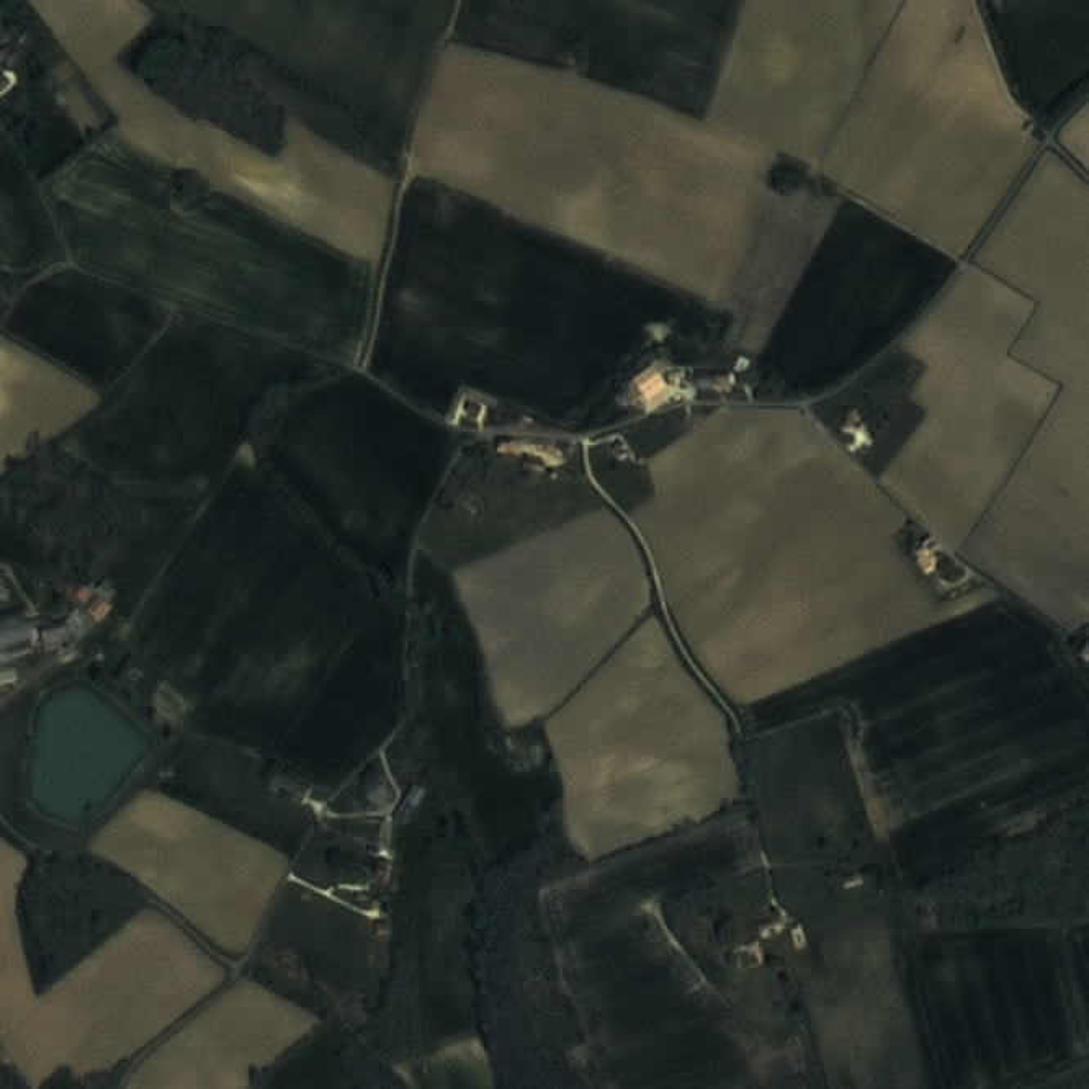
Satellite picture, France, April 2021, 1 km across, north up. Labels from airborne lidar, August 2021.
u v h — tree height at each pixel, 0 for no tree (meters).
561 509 0
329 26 0
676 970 0
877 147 0
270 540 0
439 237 0
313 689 0
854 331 0
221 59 21
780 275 0
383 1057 17
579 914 0
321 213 0
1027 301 0
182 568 0
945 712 0
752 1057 0
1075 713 0
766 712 0
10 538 0
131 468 0
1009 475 0
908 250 0
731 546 0
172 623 0
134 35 0
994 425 0
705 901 23
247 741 0
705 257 0
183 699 0
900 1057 0
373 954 0
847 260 0
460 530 0
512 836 0
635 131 0
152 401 0
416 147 0
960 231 0
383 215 0
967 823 0
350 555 10
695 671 0
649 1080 0
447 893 0
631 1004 0
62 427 0
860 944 0
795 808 0
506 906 15
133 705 19
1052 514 0
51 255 0
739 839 0
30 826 0
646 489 0
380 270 0
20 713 0
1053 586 0
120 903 22
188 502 0
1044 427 0
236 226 0
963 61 0
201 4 0
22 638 0
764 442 0
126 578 0
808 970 0
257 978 7
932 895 18
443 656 0
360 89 0
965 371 0
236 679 0
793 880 0
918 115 0
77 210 0
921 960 0
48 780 0
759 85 0
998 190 0
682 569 0
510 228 0
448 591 0
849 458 0
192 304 0
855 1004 0
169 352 0
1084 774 0
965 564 0
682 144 0
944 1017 0
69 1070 0
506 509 0
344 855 9
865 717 0
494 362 0
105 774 0
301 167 0
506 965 22
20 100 8
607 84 0
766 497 0
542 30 0
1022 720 0
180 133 0
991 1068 0
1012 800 0
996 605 0
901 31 0
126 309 0
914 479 0
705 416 0
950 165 0
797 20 0
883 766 0
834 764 0
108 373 0
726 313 0
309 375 0
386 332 0
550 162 0
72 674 0
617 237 0
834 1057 0
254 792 0
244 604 0
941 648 0
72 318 0
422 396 0
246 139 13
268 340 0
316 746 0
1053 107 6
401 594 10
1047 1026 0
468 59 0
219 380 0
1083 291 0
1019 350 0
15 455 0
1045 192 0
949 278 0
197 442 0
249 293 0
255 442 14
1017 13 0
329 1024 11
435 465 0
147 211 0
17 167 0
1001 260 0
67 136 0
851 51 0
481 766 0
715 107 0
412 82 0
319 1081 0
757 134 0
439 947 0
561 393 0
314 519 13
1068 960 0
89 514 16
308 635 0
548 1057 13
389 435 0
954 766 0
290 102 0
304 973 0
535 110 0
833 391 0
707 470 0
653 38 0
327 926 0
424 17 0
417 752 15
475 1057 0
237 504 0
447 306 0
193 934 0
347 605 0
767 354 0
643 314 0
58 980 18
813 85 0
